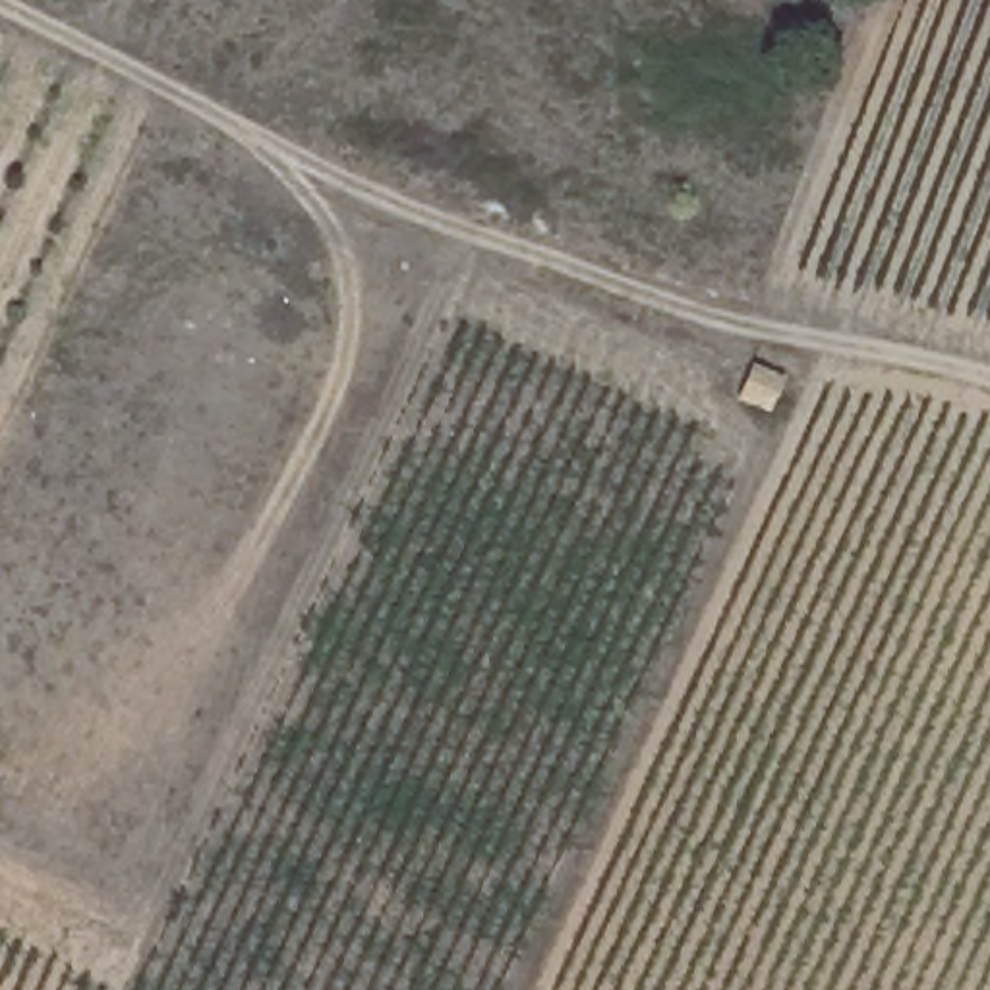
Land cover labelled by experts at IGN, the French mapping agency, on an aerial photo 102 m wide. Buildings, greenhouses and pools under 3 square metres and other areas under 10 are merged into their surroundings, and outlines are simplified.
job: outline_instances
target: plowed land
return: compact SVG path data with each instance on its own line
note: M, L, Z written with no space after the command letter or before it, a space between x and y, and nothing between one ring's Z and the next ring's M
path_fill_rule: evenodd
M410 437L410 425L418 418L418 406L437 375L445 344L456 333L456 317L483 321L503 333L503 340L553 356L557 364L568 364L576 371L611 371L615 387L634 394L642 406L677 410L688 422L708 425L735 452L735 460L746 460L758 429L746 418L750 402L743 394L754 371L770 371L777 391L797 398L816 367L816 352L808 348L727 336L715 329L688 325L673 313L634 306L630 298L607 294L561 271L530 267L522 259L398 220L383 209L371 209L333 189L329 182L313 178L313 186L340 213L340 224L317 232L317 224L286 193L286 186L263 162L251 159L244 143L228 139L220 128L205 120L193 120L159 93L131 85L112 66L85 58L62 43L50 43L46 35L0 15L0 189L8 162L15 162L27 128L43 108L46 85L62 85L62 116L54 116L50 135L19 186L15 209L0 228L0 321L8 313L8 302L19 294L27 267L43 244L46 220L58 209L58 197L77 166L81 139L89 135L101 112L116 120L104 139L104 159L89 174L77 213L70 217L66 240L58 255L43 267L43 282L0 367L0 835L8 835L15 862L23 862L27 870L89 886L101 901L112 901L116 913L131 905L135 893L147 893L166 913L174 889L197 889L201 878L193 874L189 839L201 839L209 847L220 843L209 828L209 808L236 808L240 785L251 777L259 762L267 727L275 723L275 712L286 700L298 661L313 646L313 638L302 630L302 615L329 603L321 596L321 580L333 580L340 588L344 565L360 545L348 510L352 503L379 499L387 472L398 460L402 441ZM336 425L306 480L306 491L298 495L267 561L244 592L236 623L224 634L224 646L178 646L174 615L197 607L201 592L213 588L224 561L251 530L255 510L263 507L271 483L278 480L298 441L298 429L306 425L317 402L336 340L336 290L329 255L348 244L356 248L364 275L364 333L344 410L336 414Z

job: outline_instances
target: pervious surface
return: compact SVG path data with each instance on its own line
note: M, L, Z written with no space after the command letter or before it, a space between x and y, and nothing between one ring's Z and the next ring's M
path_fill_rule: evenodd
M340 224L340 213L313 186L313 178L329 182L333 189L371 209L383 209L398 220L522 259L530 267L561 271L607 294L630 298L634 306L673 313L688 325L715 329L727 336L808 348L816 352L816 367L797 398L797 410L781 433L773 464L754 495L754 507L766 510L824 383L831 383L824 414L831 418L843 391L851 391L847 410L859 406L859 394L866 391L893 391L893 398L928 394L951 402L951 410L959 414L990 414L990 364L766 317L700 306L688 294L650 286L646 278L607 271L561 248L530 244L507 228L483 228L472 224L464 213L406 197L402 189L375 182L352 166L340 166L240 116L209 93L77 31L66 19L39 12L27 0L0 0L0 15L46 35L50 43L62 43L85 58L112 66L131 85L159 93L193 120L205 120L220 128L228 139L244 143L251 159L263 162L286 186L286 193L317 224L317 232Z
M271 483L263 507L255 510L251 530L224 561L213 588L201 592L197 607L174 615L178 646L224 646L224 634L236 623L244 592L267 561L298 495L306 491L306 480L336 425L336 414L344 410L364 333L364 275L356 248L348 244L329 255L336 290L336 340L317 402L306 425L298 429L298 441L278 480Z

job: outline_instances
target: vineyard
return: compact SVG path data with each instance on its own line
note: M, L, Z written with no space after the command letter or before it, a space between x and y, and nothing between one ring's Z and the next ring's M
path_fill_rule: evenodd
M642 406L634 394L615 387L611 371L576 371L568 364L557 364L553 356L503 340L503 333L483 321L456 317L456 333L445 344L437 375L418 406L418 418L410 425L410 437L402 441L398 460L387 472L379 499L352 503L348 510L360 545L344 565L340 588L333 580L321 580L321 596L329 603L302 615L302 630L313 638L313 646L298 661L286 700L275 712L275 723L267 727L259 762L251 777L240 785L236 808L209 808L209 828L220 843L209 847L201 839L189 839L193 874L201 878L197 889L174 889L166 913L147 893L135 893L131 905L116 913L112 901L101 901L89 886L27 870L23 862L15 862L8 835L0 835L0 990L990 990L990 414L959 414L951 410L951 402L928 394L893 398L893 391L866 391L859 394L859 406L847 410L851 391L843 391L831 418L824 414L831 383L824 383L766 510L754 507L754 495L773 464L781 433L758 429L746 460L735 460L735 452L708 425L688 422L677 410Z
M824 0L843 35L843 73L839 85L828 93L824 124L808 151L801 170L793 205L785 213L770 259L766 317L990 364L990 0Z

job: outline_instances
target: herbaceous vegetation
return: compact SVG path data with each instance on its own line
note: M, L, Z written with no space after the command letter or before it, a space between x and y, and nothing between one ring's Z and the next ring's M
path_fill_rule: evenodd
M828 93L793 97L793 116L801 124L797 143L808 151L824 124Z
M793 205L801 170L762 170L746 178L723 159L723 147L715 139L708 147L673 147L654 128L634 128L630 120L623 120L619 89L568 97L545 73L553 50L538 43L538 35L545 35L545 23L538 23L530 12L507 8L503 0L27 0L39 12L66 19L77 31L209 93L240 116L340 166L352 166L375 182L402 189L406 197L464 213L472 224L483 228L507 228L530 244L561 248L607 271L646 278L650 286L688 294L700 306L766 317L770 259L785 213Z
M843 35L824 0L731 0L731 12L743 15L770 12L762 50L773 50L785 31L808 23L816 23L828 39Z

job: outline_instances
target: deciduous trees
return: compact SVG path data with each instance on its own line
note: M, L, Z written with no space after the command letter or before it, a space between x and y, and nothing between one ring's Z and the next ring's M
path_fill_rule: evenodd
M81 139L77 166L58 197L58 209L46 220L43 244L27 267L19 294L8 302L8 313L0 321L0 367L43 282L43 267L58 255L66 240L70 217L77 213L89 174L104 159L104 139L116 120L101 112L89 135Z
M538 35L538 43L553 50L545 73L568 97L619 89L623 120L630 120L634 128L654 128L673 147L708 147L715 139L723 147L723 159L746 178L762 170L801 170L808 151L797 143L801 124L793 116L793 97L828 93L839 85L843 73L843 35L828 39L816 23L808 23L785 31L773 50L762 50L770 12L743 15L731 12L731 0L503 0L507 8L530 12L538 23L545 23L545 35Z
M19 186L50 135L54 116L62 116L62 85L46 85L43 108L27 128L15 162L8 162L0 189L0 228L15 209Z

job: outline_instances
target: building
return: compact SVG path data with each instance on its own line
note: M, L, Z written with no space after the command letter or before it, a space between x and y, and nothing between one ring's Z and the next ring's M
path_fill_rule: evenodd
M777 391L770 371L754 371L743 394L750 402L746 418L758 429L781 433L797 410L797 398Z

